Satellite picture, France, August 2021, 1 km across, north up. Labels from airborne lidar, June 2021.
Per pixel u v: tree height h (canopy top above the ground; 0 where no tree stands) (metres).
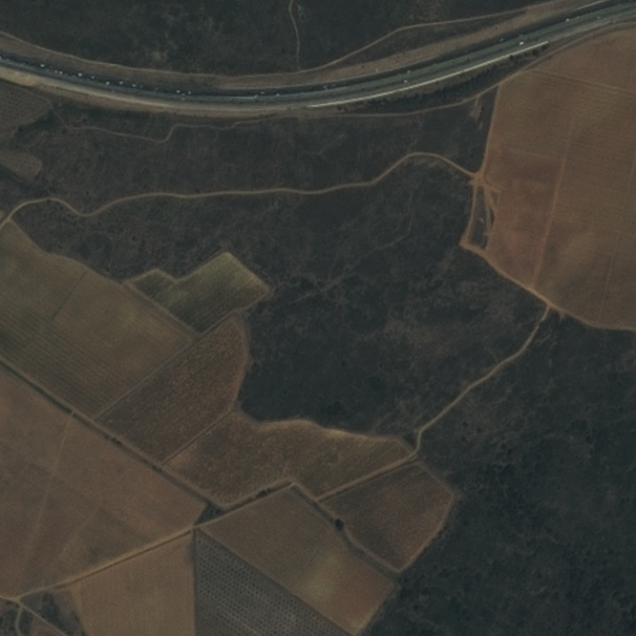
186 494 0
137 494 0
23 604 0
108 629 0
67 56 0
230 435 0
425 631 9
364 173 0
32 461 0
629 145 0
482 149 0
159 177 0
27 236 0
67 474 0
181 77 0
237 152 0
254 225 0
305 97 0
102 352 0
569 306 0
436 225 0
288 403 0
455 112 0
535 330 0
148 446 0
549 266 0
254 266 0
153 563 0
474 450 0
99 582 0
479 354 0
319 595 0
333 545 0
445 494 0
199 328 0
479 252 0
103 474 0
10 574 0
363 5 0
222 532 0
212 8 0
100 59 0
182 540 0
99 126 0
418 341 0
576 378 0
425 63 0
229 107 0
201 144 0
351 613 0
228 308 0
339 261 0
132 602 0
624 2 0
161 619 0
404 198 0
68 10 0
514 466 7
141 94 0
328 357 0
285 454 0
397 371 0
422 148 0
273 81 0
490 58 0
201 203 0
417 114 0
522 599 0
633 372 0
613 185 0
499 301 0
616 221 0
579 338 0
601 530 0
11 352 0
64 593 0
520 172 0
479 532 0
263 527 0
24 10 0
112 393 0
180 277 0
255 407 0
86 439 0
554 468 0
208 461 0
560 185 0
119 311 0
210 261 0
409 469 0
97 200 0
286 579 0
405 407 0
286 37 0
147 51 0
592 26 0
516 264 0
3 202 0
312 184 0
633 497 0
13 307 0
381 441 0
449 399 0
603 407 0
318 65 0
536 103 0
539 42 0
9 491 0
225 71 0
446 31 0
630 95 0
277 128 0
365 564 0
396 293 0
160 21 0
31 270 0
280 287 0
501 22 0
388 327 0
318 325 0
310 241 0
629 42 0
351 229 0
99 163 0
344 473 0
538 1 0
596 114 0
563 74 0
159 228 0
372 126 0
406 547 0
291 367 0
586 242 0
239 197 0
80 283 0
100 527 0
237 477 0
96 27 0
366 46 0
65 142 0
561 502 0
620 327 0
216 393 0
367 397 0
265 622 0
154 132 0
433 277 0
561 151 0
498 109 0
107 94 0
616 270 0
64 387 0
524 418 0
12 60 0
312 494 0
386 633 0
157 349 0
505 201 0
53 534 0
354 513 0
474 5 0
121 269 0
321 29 0
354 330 0
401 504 0
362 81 0
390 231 0
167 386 0
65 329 0
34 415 0
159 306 0
